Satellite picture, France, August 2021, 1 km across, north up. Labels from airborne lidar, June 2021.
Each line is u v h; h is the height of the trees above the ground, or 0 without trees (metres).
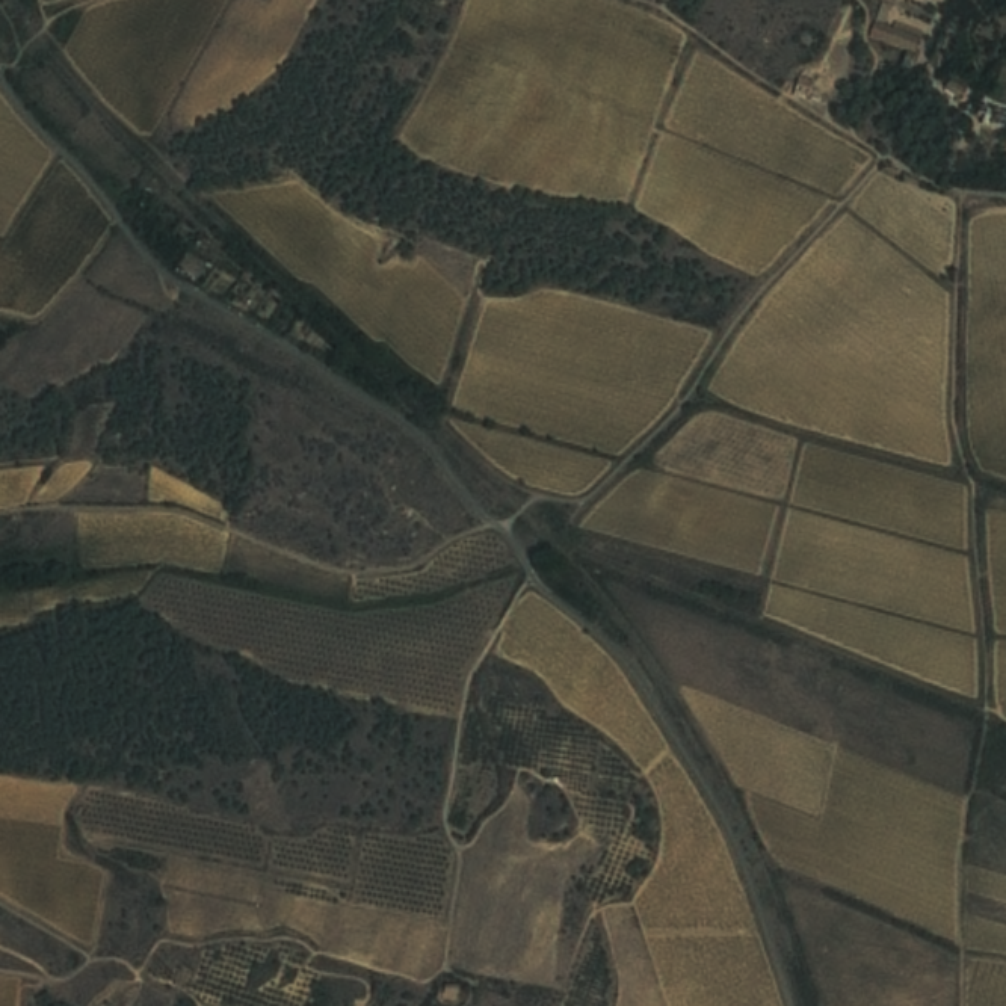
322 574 0
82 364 0
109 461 10
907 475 0
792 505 0
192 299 0
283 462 0
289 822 0
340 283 0
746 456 0
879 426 0
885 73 10
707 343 0
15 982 0
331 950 0
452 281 0
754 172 0
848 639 0
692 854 0
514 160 0
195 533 0
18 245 0
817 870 0
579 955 0
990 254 0
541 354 0
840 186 0
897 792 0
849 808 0
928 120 18
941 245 0
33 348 0
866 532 0
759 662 0
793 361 0
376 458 10
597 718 0
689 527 0
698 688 0
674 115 0
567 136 0
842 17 0
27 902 0
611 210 10
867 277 0
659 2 6
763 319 0
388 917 0
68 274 0
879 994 0
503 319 0
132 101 0
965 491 0
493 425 10
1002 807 0
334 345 7
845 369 0
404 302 0
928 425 0
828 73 0
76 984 0
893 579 0
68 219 0
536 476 0
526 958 0
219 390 12
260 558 0
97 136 0
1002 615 0
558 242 7
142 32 0
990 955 0
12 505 0
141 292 0
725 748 0
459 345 0
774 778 0
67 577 18
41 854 0
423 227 9
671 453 0
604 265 14
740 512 0
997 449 0
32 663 10
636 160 0
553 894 0
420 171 9
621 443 0
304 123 8
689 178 0
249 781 0
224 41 0
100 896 0
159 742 10
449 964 0
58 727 10
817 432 0
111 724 12
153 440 8
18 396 6
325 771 8
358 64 6
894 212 0
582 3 0
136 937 0
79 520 0
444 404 7
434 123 0
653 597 8
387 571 0
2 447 8
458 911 0
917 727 0
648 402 0
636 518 0
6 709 11
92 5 0
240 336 0
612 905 0
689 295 13
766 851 7
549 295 0
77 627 11
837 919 0
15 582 16
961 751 0
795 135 0
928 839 0
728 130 0
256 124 8
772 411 0
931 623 0
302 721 12
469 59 0
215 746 9
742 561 0
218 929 0
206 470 9
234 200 0
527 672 0
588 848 0
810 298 0
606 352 0
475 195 10
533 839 0
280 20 0
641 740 0
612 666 0
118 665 14
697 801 0
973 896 0
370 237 0
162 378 8
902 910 0
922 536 0
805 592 0
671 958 0
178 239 6
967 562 0
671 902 0
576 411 0
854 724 0
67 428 10
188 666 8
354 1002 0
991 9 14
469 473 0
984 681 0
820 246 0
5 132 0
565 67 0
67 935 0
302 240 0
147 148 0
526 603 0
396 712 7
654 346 0
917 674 0
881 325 0
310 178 12
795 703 0
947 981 0
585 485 0
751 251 0
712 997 0
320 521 0
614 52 0
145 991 0
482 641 0
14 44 0
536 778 0
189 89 0
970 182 12
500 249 9
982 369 0
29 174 0
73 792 0
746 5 0
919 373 0
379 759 0
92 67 0
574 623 0
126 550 0
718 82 0
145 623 14
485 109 0
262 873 0
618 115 0
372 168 14
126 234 0
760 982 0
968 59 17
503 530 0
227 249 8
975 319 0
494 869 0
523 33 0
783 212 0
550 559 21
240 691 11
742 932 0
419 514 0
